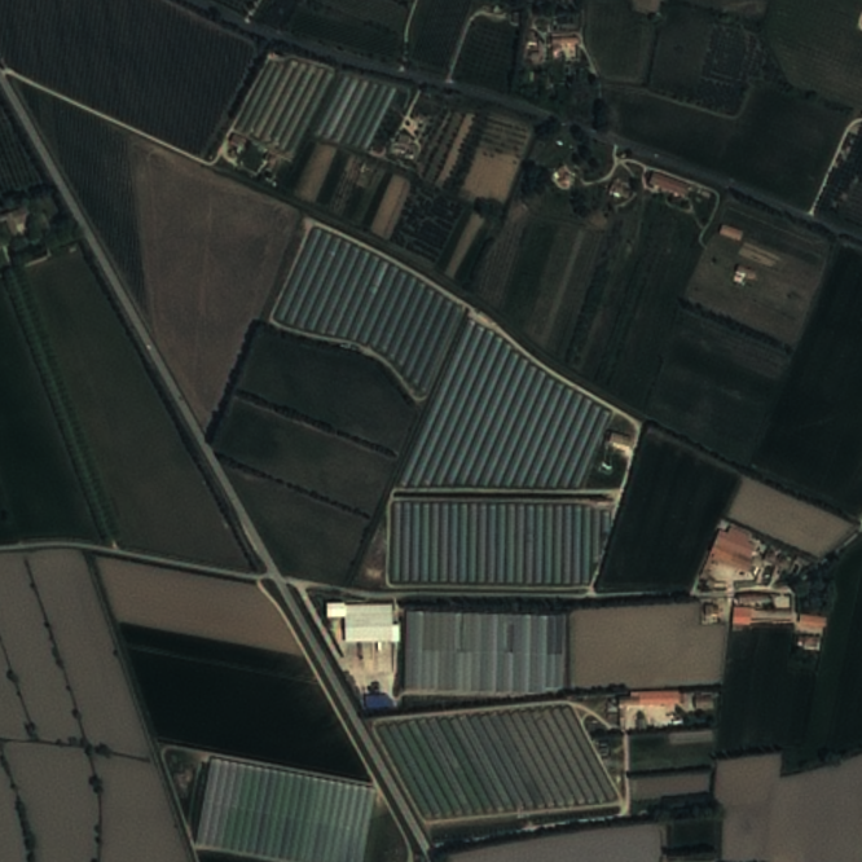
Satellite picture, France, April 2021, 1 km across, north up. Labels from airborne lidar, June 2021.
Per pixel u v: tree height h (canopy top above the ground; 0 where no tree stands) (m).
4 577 0
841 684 0
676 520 0
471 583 0
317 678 0
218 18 16
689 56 0
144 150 0
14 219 0
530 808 0
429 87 9
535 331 0
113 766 0
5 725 0
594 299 6
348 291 0
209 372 0
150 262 0
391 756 0
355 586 0
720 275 0
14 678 11
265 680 0
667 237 0
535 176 17
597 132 13
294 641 0
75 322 0
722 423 0
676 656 0
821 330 0
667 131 0
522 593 0
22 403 0
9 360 0
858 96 0
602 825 11
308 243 0
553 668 0
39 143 0
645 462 0
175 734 0
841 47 0
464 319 0
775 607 13
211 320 0
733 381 0
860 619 0
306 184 0
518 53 13
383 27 7
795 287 0
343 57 0
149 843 0
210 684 0
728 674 0
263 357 0
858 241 10
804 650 7
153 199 0
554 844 0
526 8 6
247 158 0
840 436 0
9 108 10
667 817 18
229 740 0
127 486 0
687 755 0
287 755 0
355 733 0
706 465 0
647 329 0
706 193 0
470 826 0
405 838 0
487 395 0
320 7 10
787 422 0
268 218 0
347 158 0
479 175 0
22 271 19
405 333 0
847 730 0
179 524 0
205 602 0
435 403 0
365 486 0
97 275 8
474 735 0
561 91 7
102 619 0
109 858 0
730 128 0
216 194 0
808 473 0
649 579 0
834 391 0
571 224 0
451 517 0
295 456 0
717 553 0
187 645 0
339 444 0
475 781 0
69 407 18
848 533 0
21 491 0
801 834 0
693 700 0
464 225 0
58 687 0
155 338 0
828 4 0
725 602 0
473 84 0
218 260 0
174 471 0
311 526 0
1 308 0
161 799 0
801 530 0
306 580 0
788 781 0
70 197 0
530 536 0
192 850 0
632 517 0
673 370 0
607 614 0
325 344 10
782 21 0
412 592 0
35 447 0
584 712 0
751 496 0
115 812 0
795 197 0
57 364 16
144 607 0
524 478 0
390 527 0
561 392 0
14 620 0
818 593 18
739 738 0
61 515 0
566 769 0
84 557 0
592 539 0
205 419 0
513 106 0
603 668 0
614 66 0
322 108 0
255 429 0
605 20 0
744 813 0
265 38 7
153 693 0
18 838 0
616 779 0
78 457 15
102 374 0
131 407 0
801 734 0
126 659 0
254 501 0
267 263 0
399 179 0
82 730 0
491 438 0
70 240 19
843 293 0
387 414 0
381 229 0
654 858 0
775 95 0
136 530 0
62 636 0
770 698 0
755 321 0
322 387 0
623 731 9
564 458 0
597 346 0
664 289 0
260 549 0
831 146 0
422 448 0
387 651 0
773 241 0
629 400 0
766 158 0
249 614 0
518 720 0
